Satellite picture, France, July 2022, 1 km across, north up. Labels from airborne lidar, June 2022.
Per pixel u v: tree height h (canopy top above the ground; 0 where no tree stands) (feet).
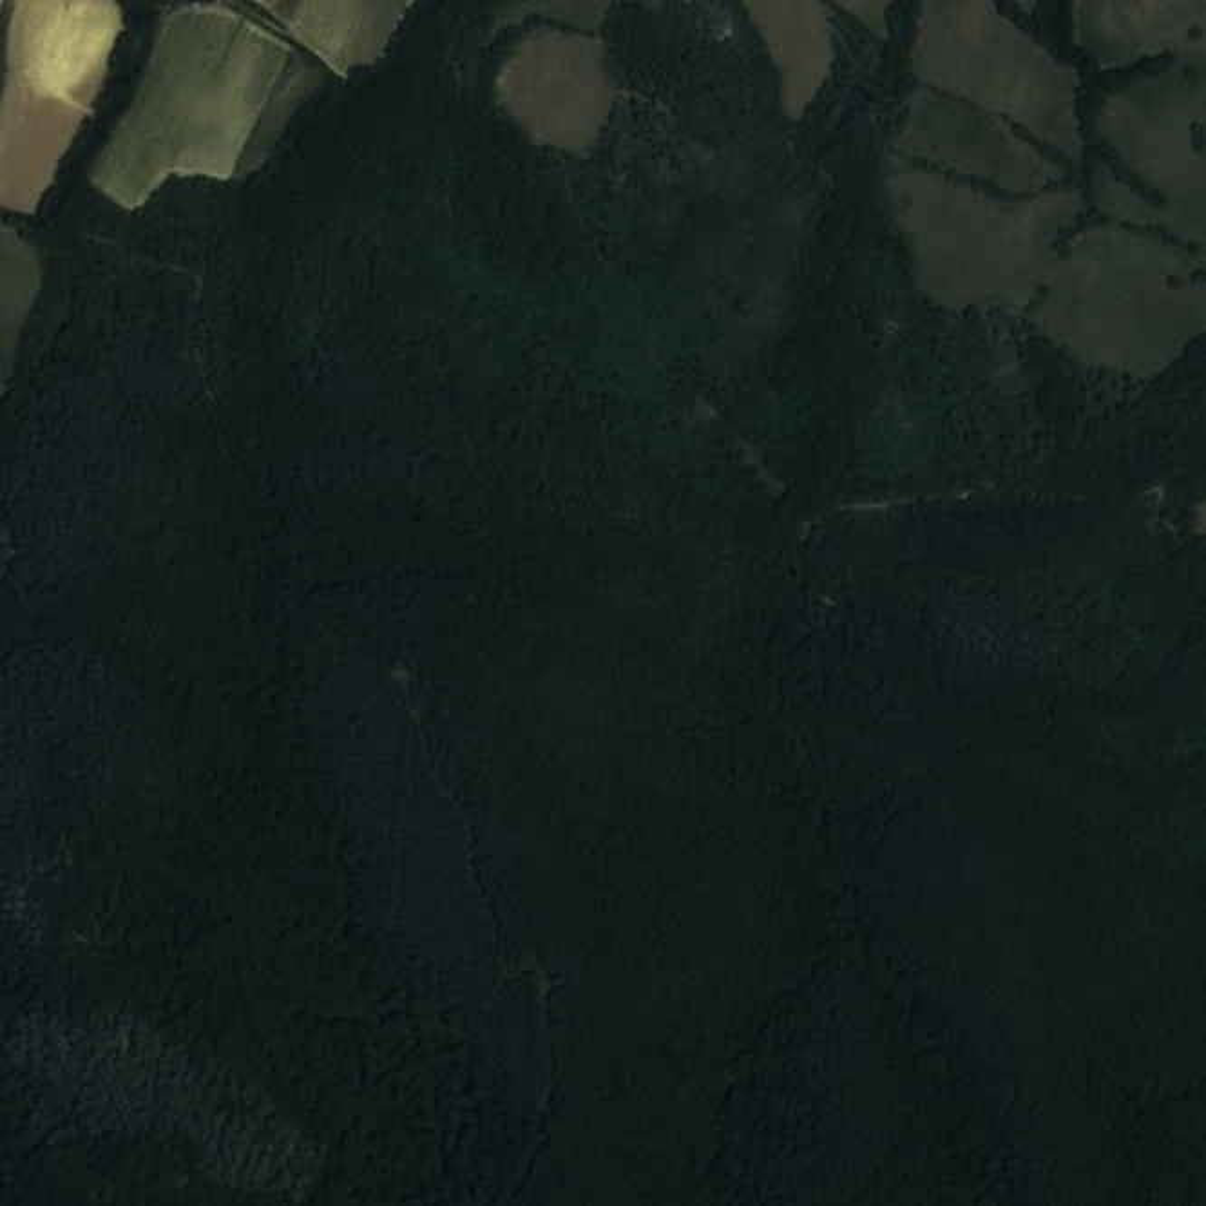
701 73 21
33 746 63
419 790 25
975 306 31
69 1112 34
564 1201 41
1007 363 0
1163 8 0
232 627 64
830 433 60
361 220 26
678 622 37
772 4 0
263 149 0
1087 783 38
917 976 44
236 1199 42
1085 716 35
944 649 36
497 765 32
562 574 41
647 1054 49
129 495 24
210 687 33
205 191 22
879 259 25
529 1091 35
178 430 54
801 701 42
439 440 37
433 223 30
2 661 44
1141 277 0
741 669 41
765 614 45
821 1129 36
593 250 21
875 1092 31
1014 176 0
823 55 0
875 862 45
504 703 29
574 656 42
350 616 49
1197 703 38
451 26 32
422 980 20
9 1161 65
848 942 61
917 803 38
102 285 18
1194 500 39
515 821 37
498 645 30
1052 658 45
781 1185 38
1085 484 30
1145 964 33
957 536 38
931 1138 23
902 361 26
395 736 21
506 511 39
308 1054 49
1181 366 35
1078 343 0
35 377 44
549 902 31
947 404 28
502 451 33
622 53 38
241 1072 38
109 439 52
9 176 0
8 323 0
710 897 27
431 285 33
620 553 33
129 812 40
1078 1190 49
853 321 60
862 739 20
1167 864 39
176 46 0
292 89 0
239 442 63
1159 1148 28
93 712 60
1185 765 42
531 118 0
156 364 45
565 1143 37
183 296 34
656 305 20
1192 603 37
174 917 33
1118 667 27
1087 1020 36
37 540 51
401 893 22
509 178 43
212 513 56
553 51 0
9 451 39
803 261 23
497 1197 67
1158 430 22
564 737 37
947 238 0
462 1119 28
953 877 29
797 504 73
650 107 39
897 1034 40
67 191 58
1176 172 0
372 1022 28
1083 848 50
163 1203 41
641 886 51
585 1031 33
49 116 0
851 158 39
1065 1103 33
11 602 23
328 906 52
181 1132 69
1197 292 0
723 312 26
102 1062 37
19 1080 44
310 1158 58
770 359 24
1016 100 0
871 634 44
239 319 50
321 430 52
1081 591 24
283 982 36
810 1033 38
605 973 42
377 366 35
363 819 22
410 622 40
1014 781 30
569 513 32
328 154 40
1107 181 0
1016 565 20
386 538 42
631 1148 25
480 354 30
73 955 40
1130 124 0
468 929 25
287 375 49
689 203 29
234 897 40
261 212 60
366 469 58
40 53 0
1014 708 40
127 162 0
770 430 30
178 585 45
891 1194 39
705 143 21
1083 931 49
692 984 40
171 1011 49
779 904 52
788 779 37
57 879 47
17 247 0
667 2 18
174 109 0
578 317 21
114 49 23
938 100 0
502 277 24
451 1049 46
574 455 37
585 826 45
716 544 31
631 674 45
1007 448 45
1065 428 26
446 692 43
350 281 28
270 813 47
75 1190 48
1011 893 36
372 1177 37
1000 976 35
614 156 42
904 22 55
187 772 49
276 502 55
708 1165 37
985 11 0
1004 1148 46
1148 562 37
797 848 55
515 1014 28
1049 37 52
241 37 0
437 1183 72
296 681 48
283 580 59
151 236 26
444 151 23
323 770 32
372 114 47
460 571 29
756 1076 23
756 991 47
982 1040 32
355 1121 26
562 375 24
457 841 35
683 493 31
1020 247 0
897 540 36
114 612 44
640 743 33
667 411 23
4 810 69
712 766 29
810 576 43
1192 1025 36
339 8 0
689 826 38
